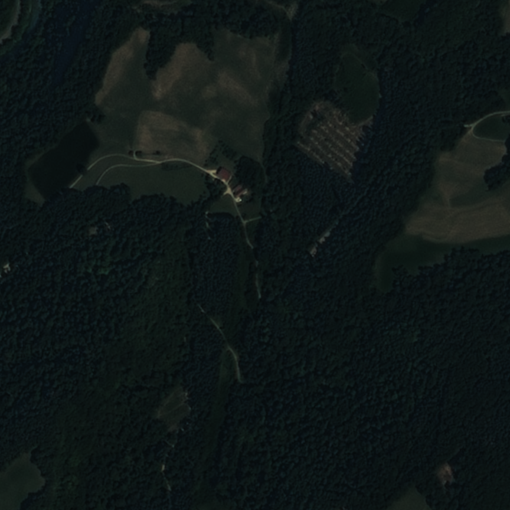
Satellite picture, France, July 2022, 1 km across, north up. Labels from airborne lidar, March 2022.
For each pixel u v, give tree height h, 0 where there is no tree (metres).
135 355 25
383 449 22
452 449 28
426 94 23
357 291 26
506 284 12
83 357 17
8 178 17
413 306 28
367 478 32
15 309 10
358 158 28
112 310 22
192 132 0
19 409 30
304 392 31
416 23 11
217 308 30
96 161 0
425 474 28
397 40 24
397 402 22
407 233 0
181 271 14
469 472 24
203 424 21
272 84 0
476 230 0
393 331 31
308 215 30
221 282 30
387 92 27
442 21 18
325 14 35
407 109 17
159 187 0
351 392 34
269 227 31
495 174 19
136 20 19
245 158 10
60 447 21
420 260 0
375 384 32
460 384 29
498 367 34
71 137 0
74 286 15
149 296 19
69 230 15
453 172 0
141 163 0
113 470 27
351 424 28
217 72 0
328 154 34
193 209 23
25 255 28
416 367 28
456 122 23
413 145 20
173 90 0
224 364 0
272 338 27
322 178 35
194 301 31
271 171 22
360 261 17
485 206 0
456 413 30
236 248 31
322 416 31
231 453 20
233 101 0
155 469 15
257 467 24
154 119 0
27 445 26
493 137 0
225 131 0
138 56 0
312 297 32
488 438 30
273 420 30
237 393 25
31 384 26
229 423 17
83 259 21
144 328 17
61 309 22
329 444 30
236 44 0
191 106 0
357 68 0
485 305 31
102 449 25
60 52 23
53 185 0
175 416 32
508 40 20
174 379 25
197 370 34
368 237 23
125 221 16
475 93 24
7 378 24
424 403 28
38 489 0
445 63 33
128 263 20
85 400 24
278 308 32
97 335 27
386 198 21
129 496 12
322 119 33
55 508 23
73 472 28
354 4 30
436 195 0
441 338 27
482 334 30
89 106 23
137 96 0
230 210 0
